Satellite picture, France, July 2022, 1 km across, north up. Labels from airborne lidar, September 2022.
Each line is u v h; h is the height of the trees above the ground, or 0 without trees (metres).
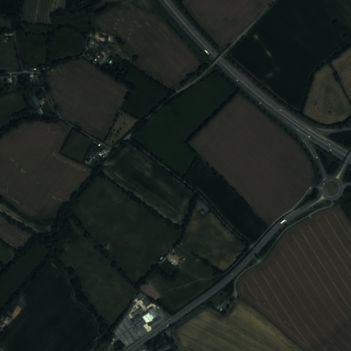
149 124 0
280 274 0
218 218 8
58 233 11
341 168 0
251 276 0
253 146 0
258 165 0
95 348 6
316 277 0
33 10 0
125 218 0
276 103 0
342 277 0
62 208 21
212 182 0
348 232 0
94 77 0
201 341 0
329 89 0
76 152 0
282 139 0
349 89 0
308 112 0
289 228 0
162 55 0
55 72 0
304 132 0
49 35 20
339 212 0
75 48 0
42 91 7
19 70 6
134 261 0
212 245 0
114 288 0
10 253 0
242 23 0
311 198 10
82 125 0
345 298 0
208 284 0
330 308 0
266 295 0
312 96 0
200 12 0
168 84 0
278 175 0
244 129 0
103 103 0
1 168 0
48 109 0
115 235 0
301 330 0
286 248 0
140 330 0
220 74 8
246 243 7
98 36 0
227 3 0
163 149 0
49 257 10
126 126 0
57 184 0
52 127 0
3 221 0
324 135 0
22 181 0
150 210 14
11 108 0
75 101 0
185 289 0
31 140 0
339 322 0
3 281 0
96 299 0
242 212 0
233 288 9
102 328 13
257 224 0
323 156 12
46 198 0
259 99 0
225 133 0
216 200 0
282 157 0
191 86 7
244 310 0
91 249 0
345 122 12
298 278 0
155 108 13
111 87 0
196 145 0
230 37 0
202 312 0
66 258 0
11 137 0
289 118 0
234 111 0
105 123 0
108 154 10
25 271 0
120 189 8
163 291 0
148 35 0
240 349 0
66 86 0
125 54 0
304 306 0
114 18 0
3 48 0
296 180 0
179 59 0
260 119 0
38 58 0
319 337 0
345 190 9
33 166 0
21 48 0
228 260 0
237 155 0
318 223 0
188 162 0
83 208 0
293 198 0
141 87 0
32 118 13
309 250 0
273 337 0
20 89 14
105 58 0
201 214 9
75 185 0
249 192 0
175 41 0
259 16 0
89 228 0
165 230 0
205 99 0
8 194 0
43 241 17
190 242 0
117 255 0
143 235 0
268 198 0
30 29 0
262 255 7
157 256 0
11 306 0
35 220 0
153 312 0
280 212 0
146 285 0
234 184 0
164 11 12
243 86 0
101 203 0
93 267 0
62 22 0
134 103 0
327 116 0
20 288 7
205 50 0
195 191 8
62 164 0
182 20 0
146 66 0
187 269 0
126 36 0
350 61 0
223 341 0
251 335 0
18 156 0
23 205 0
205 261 15
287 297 0
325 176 0
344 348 0
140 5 0
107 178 6
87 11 17
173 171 9
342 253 0
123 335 0
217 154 0
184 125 0
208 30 0
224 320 0
